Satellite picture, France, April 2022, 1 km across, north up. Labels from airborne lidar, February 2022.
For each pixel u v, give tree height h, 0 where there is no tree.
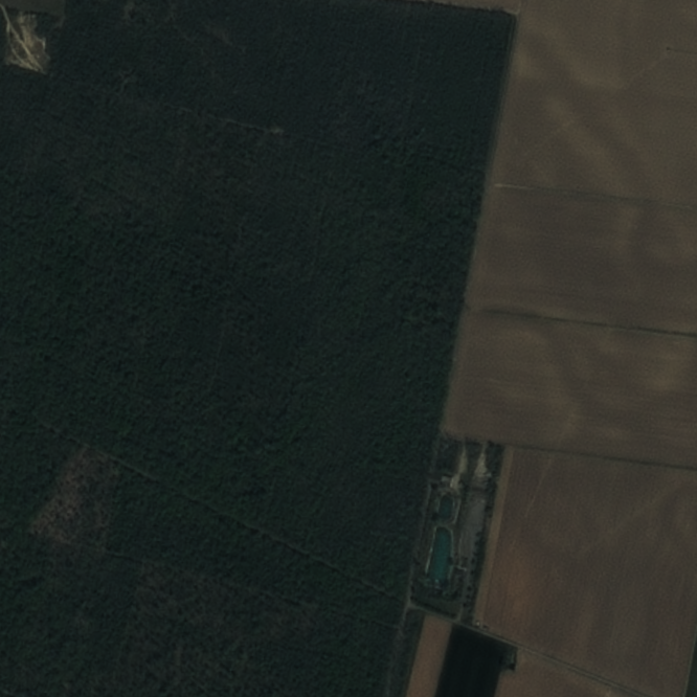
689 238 0
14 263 14
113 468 13
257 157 12
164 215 13
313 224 10
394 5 16
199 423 9
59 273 8
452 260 14
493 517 0
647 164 0
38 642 14
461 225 13
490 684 0
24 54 0
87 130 11
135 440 12
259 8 16
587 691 0
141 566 11
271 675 11
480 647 0
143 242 10
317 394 12
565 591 0
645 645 0
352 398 9
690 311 0
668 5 0
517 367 0
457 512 0
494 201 0
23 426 13
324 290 12
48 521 13
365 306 8
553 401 0
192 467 14
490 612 0
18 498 15
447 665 0
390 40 6
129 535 6
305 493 10
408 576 11
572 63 0
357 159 9
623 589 0
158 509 13
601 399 0
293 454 13
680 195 0
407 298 14
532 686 0
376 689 10
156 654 0
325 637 12
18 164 9
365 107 11
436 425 15
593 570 0
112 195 13
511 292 0
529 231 0
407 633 13
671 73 0
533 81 0
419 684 0
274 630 11
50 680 15
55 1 0
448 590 12
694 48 0
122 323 11
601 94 0
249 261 11
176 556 7
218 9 12
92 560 13
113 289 14
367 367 7
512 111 0
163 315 9
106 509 8
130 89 5
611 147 0
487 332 0
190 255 9
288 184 11
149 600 0
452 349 13
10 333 15
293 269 10
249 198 7
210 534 12
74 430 13
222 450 16
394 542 11
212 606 11
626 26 0
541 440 0
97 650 10
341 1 14
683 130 0
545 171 0
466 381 0
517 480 0
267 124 7
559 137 0
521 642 0
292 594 10
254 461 14
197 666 11
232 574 12
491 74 7
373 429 9
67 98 14
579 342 0
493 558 0
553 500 0
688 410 0
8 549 14
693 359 0
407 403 10
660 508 0
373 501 8
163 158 9
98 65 13
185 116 12
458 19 7
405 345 13
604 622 0
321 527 6
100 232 11
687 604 0
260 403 13
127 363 10
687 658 0
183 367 12
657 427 0
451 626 0
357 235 15
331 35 15
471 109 6
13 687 12
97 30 15
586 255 0
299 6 10
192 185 9
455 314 16
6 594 18
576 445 0
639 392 0
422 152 8
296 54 16
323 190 14
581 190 0
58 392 14
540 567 0
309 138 12
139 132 11
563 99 0
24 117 8
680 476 0
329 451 11
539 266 0
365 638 9
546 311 0
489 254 0
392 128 7
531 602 0
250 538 13
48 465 15
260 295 7
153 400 10
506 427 0
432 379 14
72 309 15
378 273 12
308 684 11
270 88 9
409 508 13
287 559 10
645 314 0
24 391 17
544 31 0
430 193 13
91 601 14
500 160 0
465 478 0
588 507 0
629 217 0
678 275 0
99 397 10
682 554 0
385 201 7
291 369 12
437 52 6
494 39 6
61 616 15
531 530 0
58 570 11
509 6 0
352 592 12
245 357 14
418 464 10
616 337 0
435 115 7
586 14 0
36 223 12
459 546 0
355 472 10
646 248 0
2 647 15
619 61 0
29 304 14
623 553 0
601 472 0
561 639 0
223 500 15
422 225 11
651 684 0
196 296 11
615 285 0
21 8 0
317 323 14
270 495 9
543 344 0
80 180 12
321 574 10
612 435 0
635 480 0
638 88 0
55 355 14
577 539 0
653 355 0
